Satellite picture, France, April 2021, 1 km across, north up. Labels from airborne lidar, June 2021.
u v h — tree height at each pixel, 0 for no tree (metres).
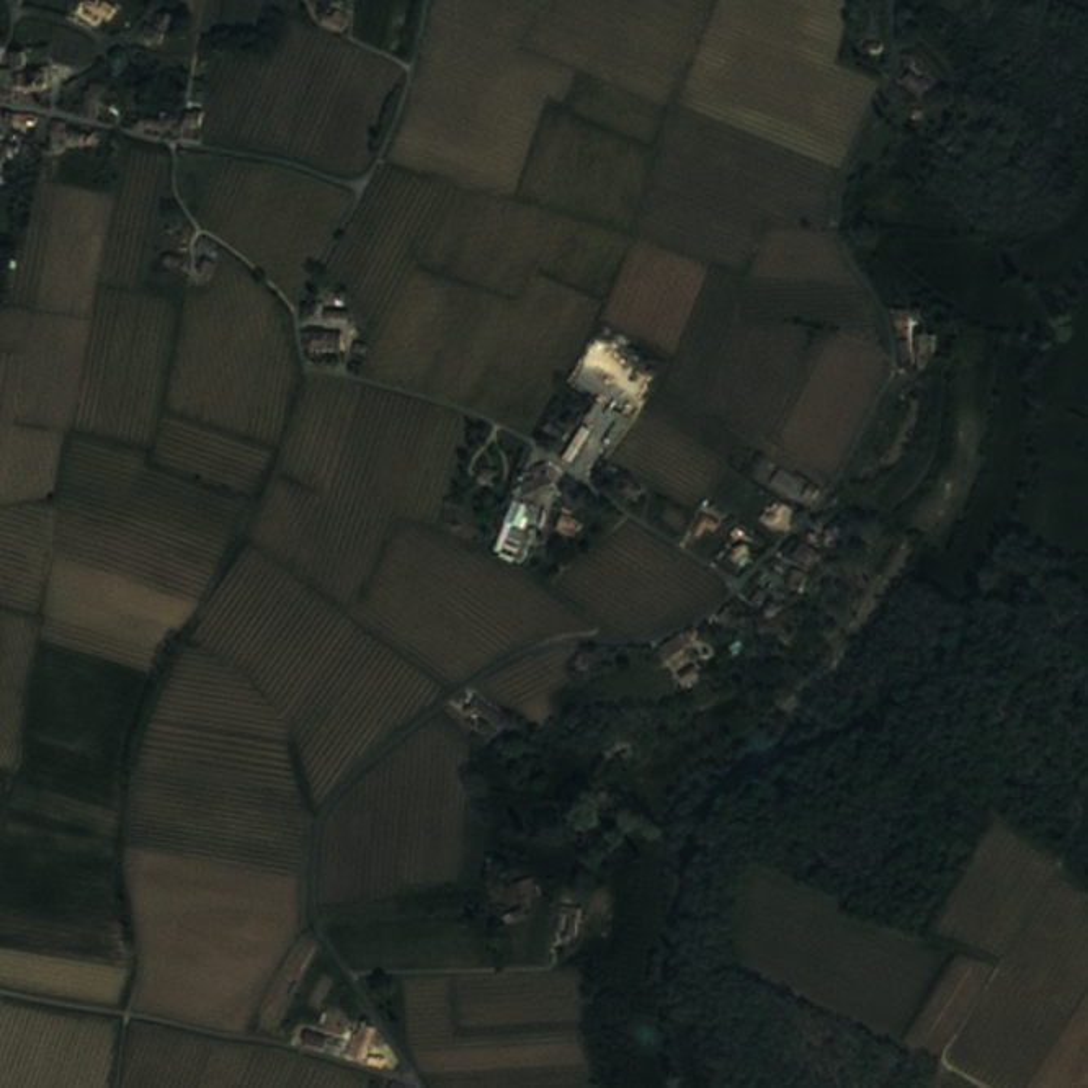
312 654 0
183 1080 0
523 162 0
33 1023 0
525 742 13
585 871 16
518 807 0
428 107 0
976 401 0
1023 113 12
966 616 21
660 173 0
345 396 0
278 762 0
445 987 0
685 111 0
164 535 0
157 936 0
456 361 0
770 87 0
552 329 0
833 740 23
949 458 7
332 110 0
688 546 0
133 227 0
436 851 0
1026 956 0
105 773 0
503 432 0
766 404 0
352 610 0
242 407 0
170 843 0
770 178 0
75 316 0
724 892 18
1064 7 9
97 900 0
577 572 0
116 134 9
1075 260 0
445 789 0
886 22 16
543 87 0
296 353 0
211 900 0
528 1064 0
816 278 0
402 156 0
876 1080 15
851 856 20
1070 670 17
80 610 0
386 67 0
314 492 0
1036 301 0
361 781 0
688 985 25
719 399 0
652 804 0
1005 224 19
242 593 0
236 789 0
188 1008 0
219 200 0
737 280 0
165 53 0
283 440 0
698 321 0
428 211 0
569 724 9
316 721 0
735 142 0
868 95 0
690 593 0
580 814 34
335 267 0
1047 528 0
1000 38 6
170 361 0
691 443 0
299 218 0
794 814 19
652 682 0
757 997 19
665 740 16
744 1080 25
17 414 0
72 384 0
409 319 0
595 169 0
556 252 0
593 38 0
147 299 0
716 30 0
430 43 0
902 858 23
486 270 0
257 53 9
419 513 0
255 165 0
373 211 0
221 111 0
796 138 0
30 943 0
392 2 0
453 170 0
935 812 17
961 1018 0
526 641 0
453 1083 0
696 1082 13
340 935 0
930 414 9
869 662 21
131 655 0
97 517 0
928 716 21
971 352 0
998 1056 0
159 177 0
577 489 8
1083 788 13
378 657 0
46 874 0
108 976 0
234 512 0
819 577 13
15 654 0
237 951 0
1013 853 0
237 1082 0
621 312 0
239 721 0
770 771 22
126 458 0
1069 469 0
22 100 0
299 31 0
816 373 0
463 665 0
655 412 0
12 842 0
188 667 0
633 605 0
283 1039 0
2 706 0
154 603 0
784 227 0
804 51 0
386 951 0
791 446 0
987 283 0
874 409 0
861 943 0
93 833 0
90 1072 0
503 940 9
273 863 0
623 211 0
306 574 0
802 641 8
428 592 0
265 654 0
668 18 0
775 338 0
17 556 0
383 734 0
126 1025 0
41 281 0
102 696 0
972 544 0
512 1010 0
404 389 0
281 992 0
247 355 0
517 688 0
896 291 0
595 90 0
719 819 25
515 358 0
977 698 18
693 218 0
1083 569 0
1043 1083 0
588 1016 9
